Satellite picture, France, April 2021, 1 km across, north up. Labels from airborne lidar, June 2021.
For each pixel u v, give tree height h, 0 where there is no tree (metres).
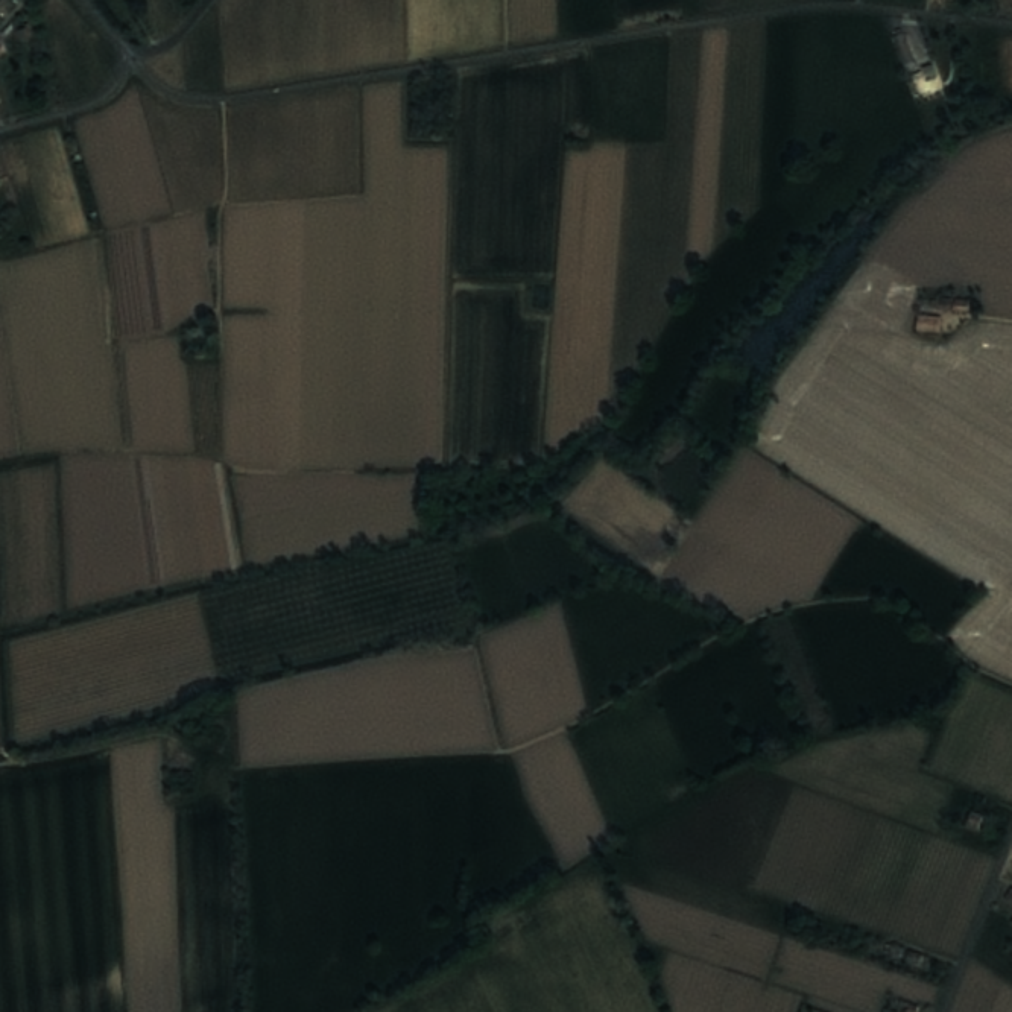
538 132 0
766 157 0
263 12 0
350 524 0
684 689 0
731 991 0
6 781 0
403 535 0
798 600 0
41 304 0
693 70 0
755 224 0
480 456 0
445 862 0
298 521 0
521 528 0
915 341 0
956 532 0
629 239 0
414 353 0
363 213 0
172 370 0
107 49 0
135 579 0
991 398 0
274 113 0
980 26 0
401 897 0
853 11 0
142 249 0
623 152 0
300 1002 0
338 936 0
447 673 0
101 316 0
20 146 0
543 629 0
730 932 0
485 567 0
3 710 0
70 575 0
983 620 0
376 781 0
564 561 0
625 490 0
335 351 0
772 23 0
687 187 0
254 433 0
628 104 0
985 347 0
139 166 0
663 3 0
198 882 0
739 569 0
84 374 0
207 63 0
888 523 0
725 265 0
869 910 0
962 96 16
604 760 0
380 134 0
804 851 0
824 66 0
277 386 0
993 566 0
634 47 0
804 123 0
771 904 0
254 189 0
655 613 0
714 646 0
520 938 0
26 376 0
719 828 0
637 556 0
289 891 0
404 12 0
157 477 0
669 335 0
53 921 0
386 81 0
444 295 0
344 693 0
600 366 0
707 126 0
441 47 0
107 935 0
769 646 14
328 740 0
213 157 0
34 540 0
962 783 0
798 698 19
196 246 0
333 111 0
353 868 0
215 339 17
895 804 0
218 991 0
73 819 0
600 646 0
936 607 0
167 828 0
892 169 16
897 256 0
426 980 14
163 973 0
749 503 0
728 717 13
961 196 0
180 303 0
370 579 23
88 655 0
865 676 0
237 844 9
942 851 0
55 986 0
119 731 10
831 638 0
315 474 0
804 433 0
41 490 0
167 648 0
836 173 0
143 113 0
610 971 0
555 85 0
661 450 18
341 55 0
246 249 0
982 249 0
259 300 0
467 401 0
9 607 0
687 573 0
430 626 23
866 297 0
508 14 0
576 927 0
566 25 0
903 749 0
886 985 0
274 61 0
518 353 0
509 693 0
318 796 0
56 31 0
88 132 0
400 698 0
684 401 12
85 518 0
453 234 0
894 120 0
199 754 0
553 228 0
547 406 0
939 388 0
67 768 0
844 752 0
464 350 0
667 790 0
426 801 0
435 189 0
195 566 0
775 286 8
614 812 0
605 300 0
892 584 0
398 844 0
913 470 0
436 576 22
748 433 20
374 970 0
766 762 23
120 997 0
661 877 0
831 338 0
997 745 0
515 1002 0
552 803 0
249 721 0
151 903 0
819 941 10
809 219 0
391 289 0
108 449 0
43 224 0
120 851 0
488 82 0
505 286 0
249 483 0
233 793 9
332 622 21
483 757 0
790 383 0
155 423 0
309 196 0
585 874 0
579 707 0
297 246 0
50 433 0
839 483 0
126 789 0
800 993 0
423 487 12
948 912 0
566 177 0
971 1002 0
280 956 0
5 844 0
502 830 0
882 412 0
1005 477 0
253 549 0
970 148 0
